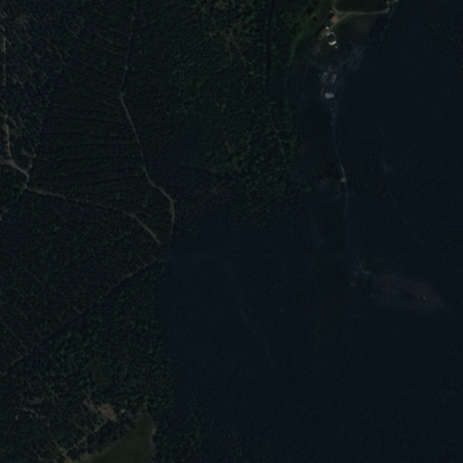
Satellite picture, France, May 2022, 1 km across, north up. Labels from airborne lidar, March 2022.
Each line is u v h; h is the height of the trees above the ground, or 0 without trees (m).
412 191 26
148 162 19
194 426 23
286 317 19
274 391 22
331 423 21
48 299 13
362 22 0
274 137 25
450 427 21
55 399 13
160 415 18
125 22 13
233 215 22
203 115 10
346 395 13
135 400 13
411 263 22
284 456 14
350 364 20
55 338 16
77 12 15
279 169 22
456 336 16
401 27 21
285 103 22
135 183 17
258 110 15
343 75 0
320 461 20
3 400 11
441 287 15
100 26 11
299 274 14
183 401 16
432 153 17
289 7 20
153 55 14
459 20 21
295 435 24
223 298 21
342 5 0
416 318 14
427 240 16
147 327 7
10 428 6
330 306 0
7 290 19
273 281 18
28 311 16
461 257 14
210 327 21
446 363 14
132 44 16
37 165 16
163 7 12
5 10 7
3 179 17
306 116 0
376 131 16
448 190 17
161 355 20
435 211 22
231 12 13
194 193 21
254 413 25
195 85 11
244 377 21
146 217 16
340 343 16
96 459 0
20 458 21
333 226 0
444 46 23
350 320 19
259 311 14
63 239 18
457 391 20
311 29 0
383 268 0
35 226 13
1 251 18
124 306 21
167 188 17
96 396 13
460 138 20
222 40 9
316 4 26
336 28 0
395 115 17
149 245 22
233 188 24
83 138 14
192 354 23
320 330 0
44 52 25
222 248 19
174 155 15
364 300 0
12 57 24
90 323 17
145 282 18
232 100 14
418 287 0
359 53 0
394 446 25
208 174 22
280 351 17
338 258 0
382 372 18
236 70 13
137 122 17
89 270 18
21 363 8
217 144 9
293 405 24
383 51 19
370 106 21
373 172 14
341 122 17
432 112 19
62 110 16
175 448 19
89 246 19
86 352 19
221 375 25
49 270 21
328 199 0
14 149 10
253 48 10
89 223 18
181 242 20
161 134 19
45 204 13
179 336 21
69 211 11
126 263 19
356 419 16
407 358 15
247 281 22
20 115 26
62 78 16
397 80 17
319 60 0
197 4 15
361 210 17
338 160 0
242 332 25
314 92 0
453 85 22
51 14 30
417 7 21
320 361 23
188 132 9
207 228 20
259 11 9
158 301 14
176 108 15
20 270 17
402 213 23
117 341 23
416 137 19
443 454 18
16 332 13
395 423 19
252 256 20
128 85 13
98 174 20
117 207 17
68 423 9
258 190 20
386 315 17
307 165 0
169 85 9
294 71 0
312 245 19
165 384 26
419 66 20
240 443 20
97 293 15
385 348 13
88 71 16
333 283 0
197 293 19
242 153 7
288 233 20
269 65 22
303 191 16
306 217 21
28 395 10
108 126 13
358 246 12
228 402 22
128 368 21
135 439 0
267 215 23
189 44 8
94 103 14
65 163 17
